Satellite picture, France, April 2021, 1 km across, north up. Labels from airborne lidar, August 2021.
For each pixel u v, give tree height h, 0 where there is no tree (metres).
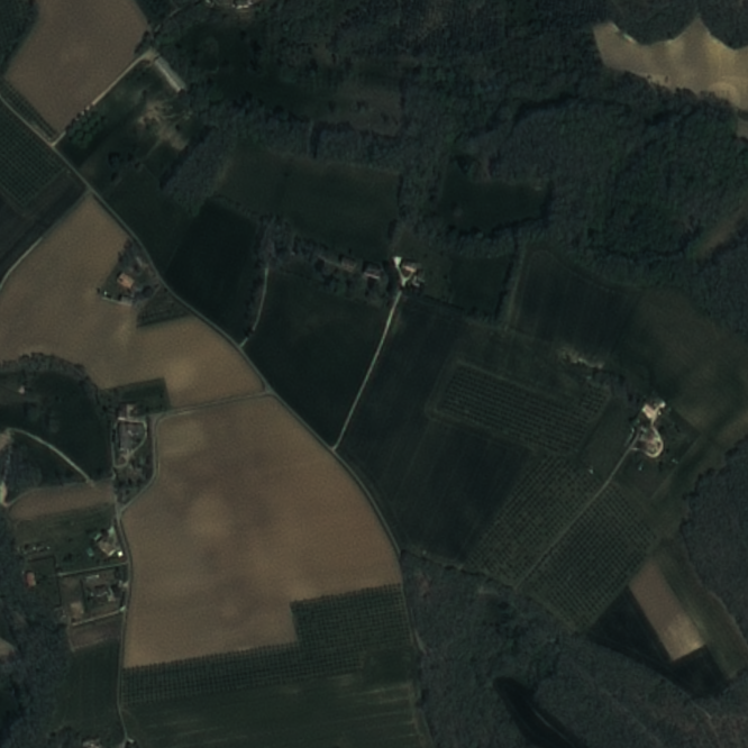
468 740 21
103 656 0
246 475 0
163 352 0
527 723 0
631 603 0
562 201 21
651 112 13
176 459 0
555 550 6
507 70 10
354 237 0
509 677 16
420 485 0
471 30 9
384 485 0
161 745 0
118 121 0
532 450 0
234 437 0
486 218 0
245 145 0
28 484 16
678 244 12
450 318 0
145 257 15
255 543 0
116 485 9
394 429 0
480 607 22
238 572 0
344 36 16
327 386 0
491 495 0
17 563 16
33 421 13
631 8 14
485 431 0
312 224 0
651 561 0
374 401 0
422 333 0
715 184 18
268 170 0
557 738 0
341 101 0
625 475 0
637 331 0
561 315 0
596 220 19
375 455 0
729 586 14
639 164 20
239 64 0
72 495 0
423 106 24
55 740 12
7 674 17
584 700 21
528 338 0
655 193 14
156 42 11
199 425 0
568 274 0
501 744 21
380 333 0
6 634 0
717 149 27
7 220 0
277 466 0
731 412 0
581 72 13
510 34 10
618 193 16
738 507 18
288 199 0
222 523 0
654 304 0
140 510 0
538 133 30
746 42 18
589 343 0
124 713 0
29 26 14
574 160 23
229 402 0
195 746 0
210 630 0
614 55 0
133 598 0
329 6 13
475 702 23
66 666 17
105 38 0
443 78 21
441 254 7
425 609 14
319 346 0
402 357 0
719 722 9
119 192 0
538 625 18
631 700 12
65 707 0
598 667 17
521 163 25
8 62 9
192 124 0
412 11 8
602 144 24
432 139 22
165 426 0
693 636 0
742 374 0
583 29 21
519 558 0
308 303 0
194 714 0
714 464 0
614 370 0
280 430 0
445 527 0
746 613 14
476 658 19
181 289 0
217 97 26
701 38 0
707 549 15
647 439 0
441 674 17
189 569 0
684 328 0
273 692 0
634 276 15
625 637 0
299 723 0
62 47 0
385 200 0
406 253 0
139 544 0
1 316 0
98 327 0
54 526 0
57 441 0
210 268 0
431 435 0
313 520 0
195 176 19
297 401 0
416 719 0
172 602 0
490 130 10
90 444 0
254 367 0
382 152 18
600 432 0
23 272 0
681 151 23
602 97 23
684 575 0
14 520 0
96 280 0
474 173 21
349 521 0
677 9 18
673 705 7
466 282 0
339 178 0
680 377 0
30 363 15
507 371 0
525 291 0
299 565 0
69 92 0
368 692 0
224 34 0
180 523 0
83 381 12
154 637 0
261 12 6
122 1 0
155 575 0
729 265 23
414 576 16
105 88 0
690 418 0
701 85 0
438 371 0
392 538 0
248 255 0
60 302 0
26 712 17
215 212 0
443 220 13
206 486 0
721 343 0
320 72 25
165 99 0
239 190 0
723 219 19
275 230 16
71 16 0
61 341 0
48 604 14
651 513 0
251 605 0
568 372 0
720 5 16
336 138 24
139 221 0
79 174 0
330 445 0
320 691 0
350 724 0
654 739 15
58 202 0
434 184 11
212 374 0
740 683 15
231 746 0
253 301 10
